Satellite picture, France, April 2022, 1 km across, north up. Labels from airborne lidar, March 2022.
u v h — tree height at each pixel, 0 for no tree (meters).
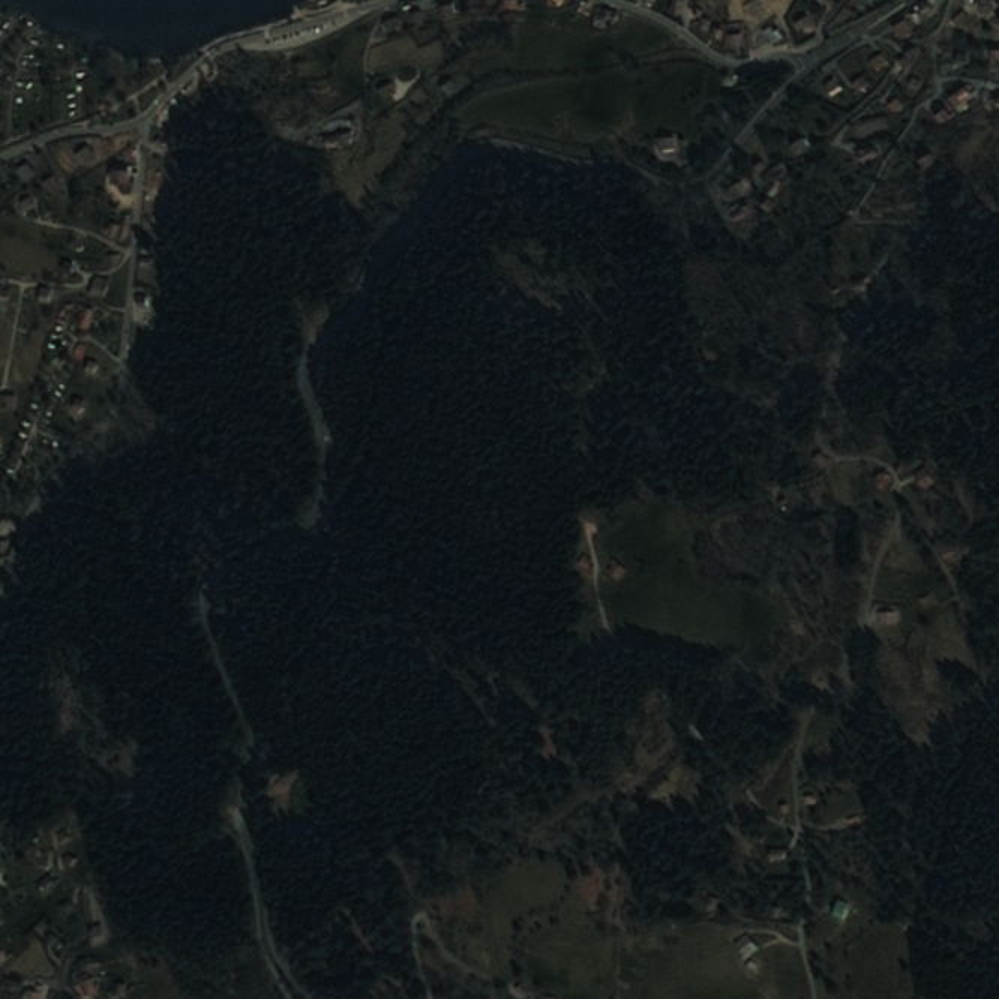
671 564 0
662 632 0
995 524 8
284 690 22
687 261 30
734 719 28
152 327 8
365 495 25
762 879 6
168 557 20
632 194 22
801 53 0
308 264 24
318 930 31
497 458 25
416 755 29
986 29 10
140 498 21
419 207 0
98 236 0
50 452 8
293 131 0
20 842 16
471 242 28
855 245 0
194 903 25
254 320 23
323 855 29
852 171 0
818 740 0
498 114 0
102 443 14
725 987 0
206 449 30
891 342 25
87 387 0
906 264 14
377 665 28
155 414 20
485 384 24
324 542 8
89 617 24
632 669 27
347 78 0
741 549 11
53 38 13
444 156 7
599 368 34
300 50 0
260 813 29
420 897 17
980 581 10
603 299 0
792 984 0
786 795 0
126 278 0
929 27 0
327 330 0
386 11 0
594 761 18
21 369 0
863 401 21
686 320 33
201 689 27
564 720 10
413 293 26
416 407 24
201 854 26
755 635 0
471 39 18
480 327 25
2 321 0
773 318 8
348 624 30
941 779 29
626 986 0
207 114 10
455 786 26
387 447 20
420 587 29
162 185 0
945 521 19
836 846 10
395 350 27
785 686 6
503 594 28
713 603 0
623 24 0
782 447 24
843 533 13
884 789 12
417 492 24
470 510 24
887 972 0
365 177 0
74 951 0
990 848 27
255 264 27
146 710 18
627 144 8
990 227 21
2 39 0
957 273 17
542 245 0
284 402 25
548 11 0
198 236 25
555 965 0
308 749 26
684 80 0
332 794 24
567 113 0
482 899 11
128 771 0
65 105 0
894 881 6
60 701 22
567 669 29
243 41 0
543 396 26
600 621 0
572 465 25
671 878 25
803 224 12
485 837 8
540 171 10
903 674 0
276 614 24
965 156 0
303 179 31
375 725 28
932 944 14
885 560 0
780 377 12
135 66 11
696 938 0
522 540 25
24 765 37
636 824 16
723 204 0
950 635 0
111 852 29
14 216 15
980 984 12
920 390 23
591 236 28
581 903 0
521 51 0
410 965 23
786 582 22
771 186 7
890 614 0
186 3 0
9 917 16
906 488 0
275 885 27
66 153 0
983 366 30
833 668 7
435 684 27
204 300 24
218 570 0
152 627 15
